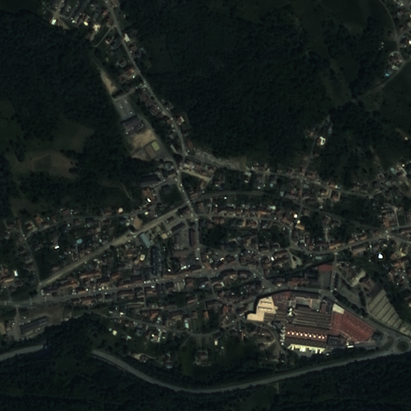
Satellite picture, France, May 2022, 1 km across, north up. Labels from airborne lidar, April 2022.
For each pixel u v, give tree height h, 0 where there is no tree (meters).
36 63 26
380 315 0
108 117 12
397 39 0
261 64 10
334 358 9
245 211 0
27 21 13
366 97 0
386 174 8
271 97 18
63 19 0
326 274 0
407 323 0
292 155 14
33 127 13
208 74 6
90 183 10
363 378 23
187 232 0
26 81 19
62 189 15
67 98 19
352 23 0
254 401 0
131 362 17
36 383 20
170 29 15
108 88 0
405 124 0
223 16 12
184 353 0
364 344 0
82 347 12
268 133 20
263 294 0
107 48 0
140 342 0
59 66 24
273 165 8
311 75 20
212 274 0
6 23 19
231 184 8
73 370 0
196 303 0
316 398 8
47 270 0
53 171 0
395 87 0
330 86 0
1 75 9
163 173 10
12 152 0
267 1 0
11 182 7
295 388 0
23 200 0
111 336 0
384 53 8
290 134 21
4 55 16
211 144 9
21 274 0
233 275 0
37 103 19
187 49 11
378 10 0
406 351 0
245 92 16
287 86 15
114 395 32
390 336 0
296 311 0
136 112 0
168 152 0
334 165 6
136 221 0
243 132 17
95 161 25
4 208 25
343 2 0
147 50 7
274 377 0
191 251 0
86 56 11
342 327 0
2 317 0
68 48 25
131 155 0
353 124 12
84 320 11
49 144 0
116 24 0
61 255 7
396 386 23
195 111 21
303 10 0
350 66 0
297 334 0
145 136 0
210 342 0
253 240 6
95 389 16
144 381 9
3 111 0
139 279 0
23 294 0
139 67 11
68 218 0
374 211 0
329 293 0
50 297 0
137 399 24
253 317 0
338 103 0
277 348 0
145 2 15
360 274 0
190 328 0
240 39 14
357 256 0
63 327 10
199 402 9
